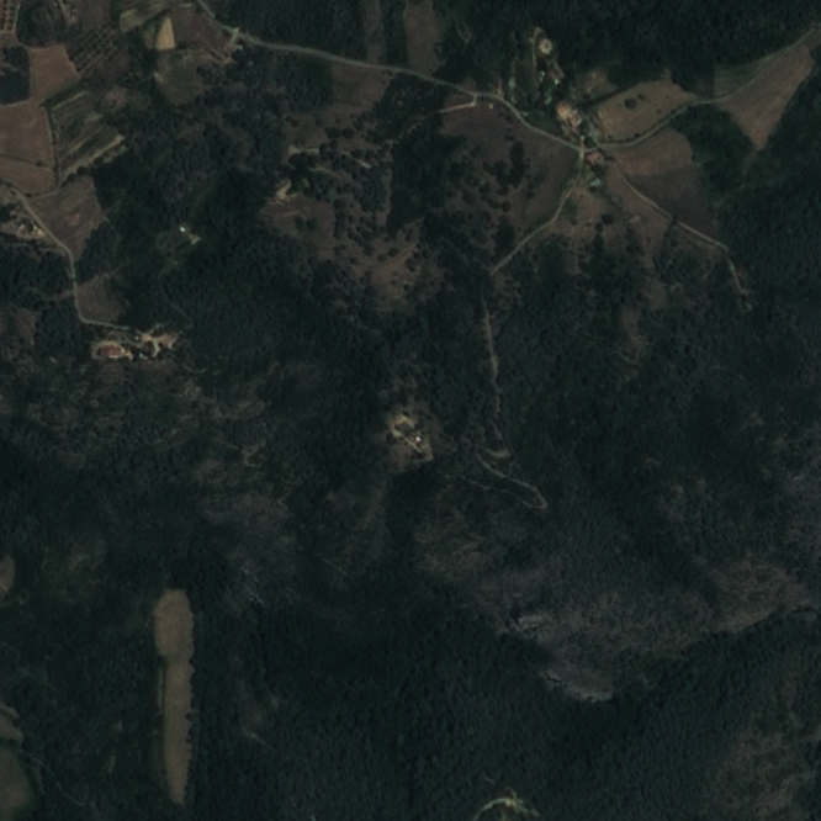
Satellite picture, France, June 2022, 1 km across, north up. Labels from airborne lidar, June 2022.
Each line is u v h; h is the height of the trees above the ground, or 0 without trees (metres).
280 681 28
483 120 0
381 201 9
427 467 14
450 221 7
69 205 0
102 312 0
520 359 13
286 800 10
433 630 19
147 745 5
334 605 9
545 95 8
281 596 7
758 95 0
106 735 14
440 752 10
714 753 11
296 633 20
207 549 19
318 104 10
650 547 11
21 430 13
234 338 7
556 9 20
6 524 10
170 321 9
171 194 15
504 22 12
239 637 9
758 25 13
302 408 7
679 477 5
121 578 9
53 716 11
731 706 23
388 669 15
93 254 10
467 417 11
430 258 13
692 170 0
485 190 10
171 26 0
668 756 13
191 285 15
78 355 8
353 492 8
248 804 10
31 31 6
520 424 9
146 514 16
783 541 13
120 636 7
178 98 0
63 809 13
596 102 9
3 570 0
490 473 8
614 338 8
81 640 13
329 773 9
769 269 12
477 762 10
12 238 11
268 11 8
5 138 0
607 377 8
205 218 6
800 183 12
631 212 0
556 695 7
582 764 17
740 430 6
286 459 13
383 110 7
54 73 0
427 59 0
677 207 0
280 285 17
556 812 12
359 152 8
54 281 9
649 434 9
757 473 13
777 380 6
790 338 9
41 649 8
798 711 13
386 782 15
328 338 11
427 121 8
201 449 8
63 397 6
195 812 19
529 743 9
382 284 0
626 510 13
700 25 17
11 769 0
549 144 0
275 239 11
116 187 6
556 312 17
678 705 19
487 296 9
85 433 9
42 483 16
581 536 10
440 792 9
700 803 9
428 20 0
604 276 8
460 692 6
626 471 9
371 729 25
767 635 15
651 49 9
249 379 8
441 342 7
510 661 13
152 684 13
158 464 16
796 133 10
